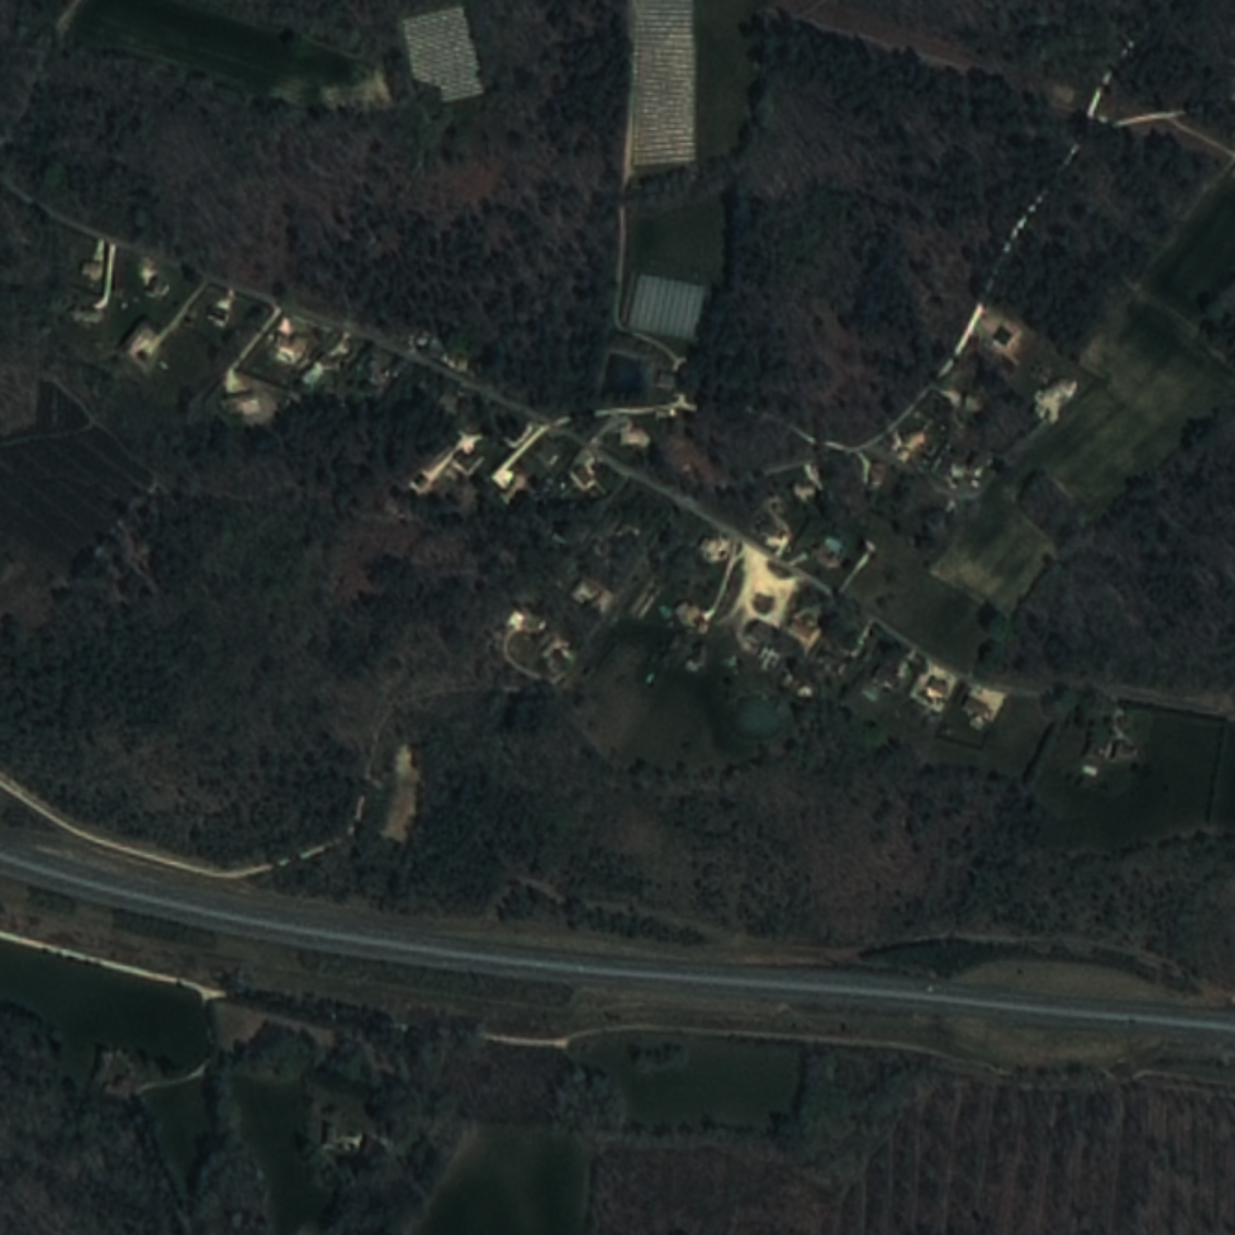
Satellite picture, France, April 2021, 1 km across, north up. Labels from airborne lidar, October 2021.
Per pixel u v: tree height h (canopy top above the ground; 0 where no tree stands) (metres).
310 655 16
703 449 15
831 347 8
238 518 16
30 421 15
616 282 10
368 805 7
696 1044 0
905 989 0
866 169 15
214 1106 14
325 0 10
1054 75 16
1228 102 18
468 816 24
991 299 23
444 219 7
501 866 21
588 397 12
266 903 0
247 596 15
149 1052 0
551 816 15
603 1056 0
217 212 16
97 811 8
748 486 6
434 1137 23
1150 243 19
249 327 8
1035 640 16
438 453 22
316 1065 20
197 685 14
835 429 11
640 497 9
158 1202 24
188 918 0
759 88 9
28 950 0
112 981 0
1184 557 20
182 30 0
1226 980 14
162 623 15
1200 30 24
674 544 15
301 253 17
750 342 14
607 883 9
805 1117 17
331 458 25
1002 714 0
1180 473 14
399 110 15
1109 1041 0
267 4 12
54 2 24
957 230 22
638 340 8
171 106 11
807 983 0
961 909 9
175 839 6
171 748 7
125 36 0
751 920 8
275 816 8
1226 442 18
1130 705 8
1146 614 22
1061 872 12
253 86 0
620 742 0
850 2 14
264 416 0
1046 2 18
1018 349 0
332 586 18
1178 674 11
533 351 9
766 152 18
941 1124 7
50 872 0
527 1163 0
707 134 0
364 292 17
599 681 0
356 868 8
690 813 9
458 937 0
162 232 10
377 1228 24
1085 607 19
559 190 13
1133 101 20
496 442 18
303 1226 0
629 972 0
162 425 17
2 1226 15
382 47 12
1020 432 9
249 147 11
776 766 14
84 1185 18
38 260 19
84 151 9
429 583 13
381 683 17
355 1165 12
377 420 17
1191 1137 0
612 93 15
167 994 0
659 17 0
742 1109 0
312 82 0
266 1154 0
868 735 17
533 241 15
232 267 7
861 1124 16
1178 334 0
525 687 15
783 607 0
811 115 16
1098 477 0
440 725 14
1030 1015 0
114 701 8
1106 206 19
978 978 0
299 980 0
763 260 13
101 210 12
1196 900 20
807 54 27
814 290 13
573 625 11
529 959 0
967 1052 0
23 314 14
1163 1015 0
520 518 20
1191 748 0
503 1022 0
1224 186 0
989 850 10
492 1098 8
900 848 8
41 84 19
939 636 0
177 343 0
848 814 10
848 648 14
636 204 19
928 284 20
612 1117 21
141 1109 20
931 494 17
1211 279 0
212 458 25
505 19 14
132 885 0
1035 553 0
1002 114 21
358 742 13
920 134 11
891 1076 12
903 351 10
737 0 0
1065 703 17
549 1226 0
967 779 15
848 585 0
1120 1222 6
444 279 17
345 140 14
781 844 10
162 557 17
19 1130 20
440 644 14
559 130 16
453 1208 0
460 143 19
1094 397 0
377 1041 21
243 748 12
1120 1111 21
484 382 12
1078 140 15
